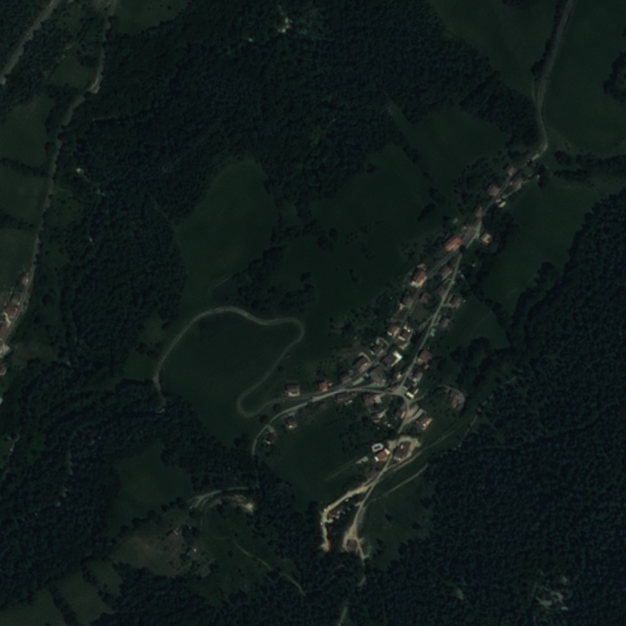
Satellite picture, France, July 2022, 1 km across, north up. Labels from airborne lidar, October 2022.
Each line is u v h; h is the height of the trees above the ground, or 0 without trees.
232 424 0
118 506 0
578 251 22
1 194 0
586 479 30
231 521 0
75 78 0
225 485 22
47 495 22
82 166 25
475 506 19
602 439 13
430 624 21
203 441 22
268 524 15
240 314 0
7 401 16
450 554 18
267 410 0
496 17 0
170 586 25
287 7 11
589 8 0
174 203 20
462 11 0
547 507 29
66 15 10
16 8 18
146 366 0
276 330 0
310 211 19
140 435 32
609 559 18
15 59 0
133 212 9
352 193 0
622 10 0
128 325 13
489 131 0
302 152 32
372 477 0
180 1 0
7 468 13
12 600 24
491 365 24
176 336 0
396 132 25
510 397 9
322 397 0
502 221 10
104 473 32
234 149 11
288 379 0
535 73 14
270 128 23
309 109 33
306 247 0
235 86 33
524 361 18
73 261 18
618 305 23
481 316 0
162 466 0
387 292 6
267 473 17
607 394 19
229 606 26
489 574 28
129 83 27
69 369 32
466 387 6
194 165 16
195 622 28
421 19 12
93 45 8
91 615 0
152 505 0
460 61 31
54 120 19
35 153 0
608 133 0
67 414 6
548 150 0
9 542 31
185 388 0
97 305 20
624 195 16
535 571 7
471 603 6
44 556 33
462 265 7
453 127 0
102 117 29
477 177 9
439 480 14
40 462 13
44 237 18
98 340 27
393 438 8
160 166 23
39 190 0
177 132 24
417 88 8
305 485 0
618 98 16
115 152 11
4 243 0
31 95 15
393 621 19
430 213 20
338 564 17
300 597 13
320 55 14
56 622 0
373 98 27
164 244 21
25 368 6
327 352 0
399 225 0
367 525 0
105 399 19
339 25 20
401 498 0
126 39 21
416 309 0
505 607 10
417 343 22
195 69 26
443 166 0
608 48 0
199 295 0
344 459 0
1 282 0
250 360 0
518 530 24
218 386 0
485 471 26
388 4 7
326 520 0
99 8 0
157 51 20
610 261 19
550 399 17
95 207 17
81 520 21
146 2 0
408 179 0
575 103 0
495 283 0
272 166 16
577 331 21
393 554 0
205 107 16
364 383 0
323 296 0
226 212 0
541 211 0
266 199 0
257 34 22
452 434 0
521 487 11
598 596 9
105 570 0
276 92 30
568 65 0
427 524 0
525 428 12
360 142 19
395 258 0
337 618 19
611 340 11
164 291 15
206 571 0
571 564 12
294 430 0
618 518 25
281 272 0
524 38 0
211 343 0
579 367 15
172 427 30
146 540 0
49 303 22
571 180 10
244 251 0
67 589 0
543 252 0
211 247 0
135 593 20
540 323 24
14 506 10
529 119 28
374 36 29
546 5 0
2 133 0
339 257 0
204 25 15
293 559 25
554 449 10
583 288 27
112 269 16
